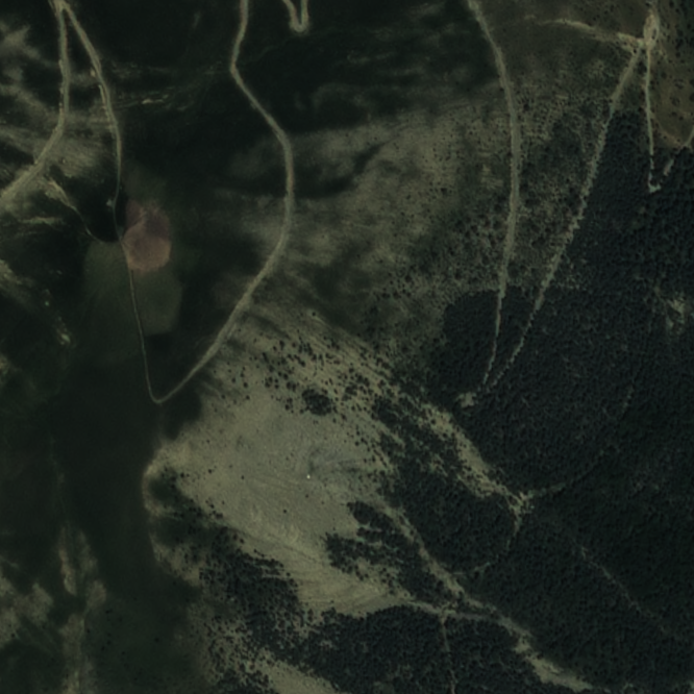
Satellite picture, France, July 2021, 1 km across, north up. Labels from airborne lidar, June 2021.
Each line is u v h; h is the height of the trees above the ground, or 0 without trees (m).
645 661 13
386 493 7
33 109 0
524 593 8
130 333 0
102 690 0
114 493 0
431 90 0
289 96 0
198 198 0
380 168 0
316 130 0
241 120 0
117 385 0
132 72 0
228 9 0
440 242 0
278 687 0
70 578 0
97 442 0
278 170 0
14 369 0
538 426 10
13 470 0
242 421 0
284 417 0
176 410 0
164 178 0
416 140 0
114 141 0
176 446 0
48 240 0
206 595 0
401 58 0
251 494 0
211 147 0
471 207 0
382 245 0
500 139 0
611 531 12
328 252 0
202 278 0
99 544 0
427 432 7
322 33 0
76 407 0
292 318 0
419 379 6
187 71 0
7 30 0
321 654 8
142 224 0
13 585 0
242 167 0
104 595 0
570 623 14
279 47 0
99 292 0
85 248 0
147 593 0
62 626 0
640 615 14
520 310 7
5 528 0
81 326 0
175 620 0
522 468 15
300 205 0
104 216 0
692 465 12
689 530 15
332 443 0
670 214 19
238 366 0
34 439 0
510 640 10
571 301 7
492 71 0
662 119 0
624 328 11
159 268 0
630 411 14
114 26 0
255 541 0
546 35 0
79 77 0
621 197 8
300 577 0
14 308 0
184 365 0
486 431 12
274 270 0
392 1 0
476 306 8
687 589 14
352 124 0
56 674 0
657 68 0
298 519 0
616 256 14
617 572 13
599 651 9
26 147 0
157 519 0
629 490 11
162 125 0
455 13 0
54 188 0
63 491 0
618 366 9
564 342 9
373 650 12
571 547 11
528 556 12
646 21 0
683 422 10
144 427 0
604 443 9
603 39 0
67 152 0
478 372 8
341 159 0
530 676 10
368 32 0
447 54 0
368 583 0
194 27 0
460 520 13
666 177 11
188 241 0
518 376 10
